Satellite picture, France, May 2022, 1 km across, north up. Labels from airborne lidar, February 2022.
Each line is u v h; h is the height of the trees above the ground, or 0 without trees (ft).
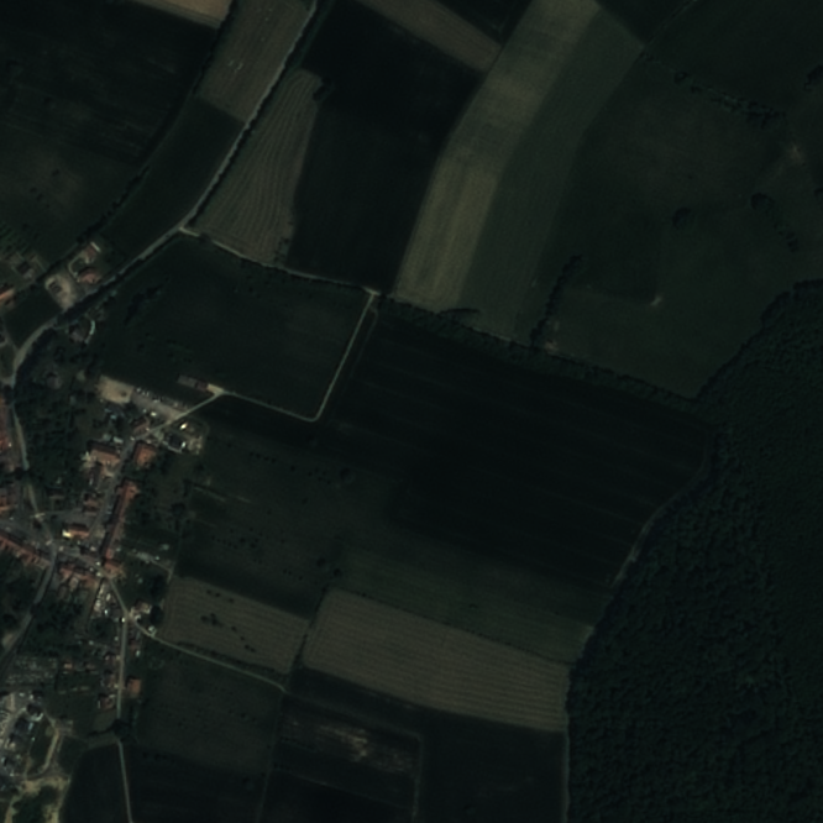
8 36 0
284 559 0
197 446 0
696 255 0
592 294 0
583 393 0
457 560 0
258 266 30
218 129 0
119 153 0
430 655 0
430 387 0
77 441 39
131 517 0
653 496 0
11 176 0
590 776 83
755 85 0
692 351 0
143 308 39
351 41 0
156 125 0
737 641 91
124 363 0
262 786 0
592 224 0
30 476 43
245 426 0
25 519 0
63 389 0
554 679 0
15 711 0
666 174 0
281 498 0
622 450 0
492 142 0
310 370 0
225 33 36
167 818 0
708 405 45
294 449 0
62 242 0
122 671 0
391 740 0
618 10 0
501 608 0
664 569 82
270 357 0
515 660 0
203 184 0
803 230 0
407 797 0
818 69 27
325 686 0
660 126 0
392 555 0
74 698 0
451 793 0
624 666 87
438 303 0
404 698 0
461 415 0
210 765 0
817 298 43
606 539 0
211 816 0
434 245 0
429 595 0
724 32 0
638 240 0
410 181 0
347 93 0
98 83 0
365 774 0
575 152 0
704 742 79
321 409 0
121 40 0
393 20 0
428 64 0
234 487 0
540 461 0
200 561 0
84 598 0
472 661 0
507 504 0
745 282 0
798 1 0
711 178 0
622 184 0
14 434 0
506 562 0
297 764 0
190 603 0
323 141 0
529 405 0
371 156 0
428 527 0
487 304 0
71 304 0
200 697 0
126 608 0
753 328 0
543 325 33
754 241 0
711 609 84
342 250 0
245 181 0
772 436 44
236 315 0
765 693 77
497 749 0
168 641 0
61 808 0
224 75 0
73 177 0
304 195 0
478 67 0
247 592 0
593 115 0
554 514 0
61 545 0
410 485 0
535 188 0
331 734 0
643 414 0
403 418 0
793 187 0
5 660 0
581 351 0
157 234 0
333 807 0
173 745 0
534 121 0
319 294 0
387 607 0
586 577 0
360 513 0
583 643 0
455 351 0
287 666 0
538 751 0
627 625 72
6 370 0
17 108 0
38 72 0
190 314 0
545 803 0
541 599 0
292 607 0
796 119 0
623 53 0
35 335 0
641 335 0
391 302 29
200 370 0
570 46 0
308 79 0
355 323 0
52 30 0
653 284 0
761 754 86
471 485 0
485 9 0
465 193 0
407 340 0
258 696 0
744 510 64
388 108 0
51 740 0
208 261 0
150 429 0
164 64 0
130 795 0
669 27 0
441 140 0
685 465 0
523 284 0
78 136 0
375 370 0
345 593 0
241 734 0
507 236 0
